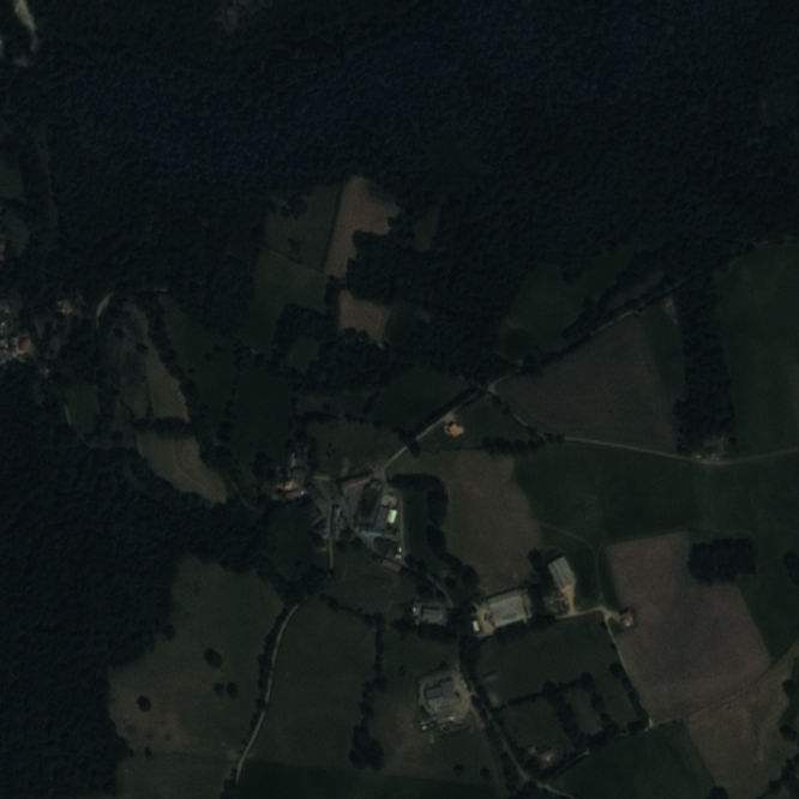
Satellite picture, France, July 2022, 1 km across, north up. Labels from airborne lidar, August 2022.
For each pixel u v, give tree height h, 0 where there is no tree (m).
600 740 16
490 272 15
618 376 0
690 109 32
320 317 15
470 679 11
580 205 27
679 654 0
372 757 18
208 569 0
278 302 0
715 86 23
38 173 21
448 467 0
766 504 0
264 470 17
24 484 20
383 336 0
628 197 20
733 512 0
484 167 17
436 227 0
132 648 16
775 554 0
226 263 18
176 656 0
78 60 30
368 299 14
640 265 23
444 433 0
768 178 33
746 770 0
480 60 21
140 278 13
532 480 0
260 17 12
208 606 0
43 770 21
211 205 15
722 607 0
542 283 0
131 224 23
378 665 6
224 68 27
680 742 0
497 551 0
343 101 20
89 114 28
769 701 0
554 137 18
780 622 0
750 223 18
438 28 27
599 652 0
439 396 0
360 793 0
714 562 17
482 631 0
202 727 0
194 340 0
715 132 28
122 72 29
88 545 23
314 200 0
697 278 12
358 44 21
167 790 0
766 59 24
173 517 20
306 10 25
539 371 21
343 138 18
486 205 22
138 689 0
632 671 0
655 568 0
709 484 0
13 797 16
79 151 17
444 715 0
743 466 0
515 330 0
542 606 0
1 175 0
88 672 17
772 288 0
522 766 11
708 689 0
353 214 0
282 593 18
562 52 8
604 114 16
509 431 0
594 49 25
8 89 18
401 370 19
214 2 13
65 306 0
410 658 0
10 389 15
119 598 15
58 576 22
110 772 16
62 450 24
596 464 0
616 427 0
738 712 0
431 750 0
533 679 0
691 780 0
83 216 17
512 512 0
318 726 0
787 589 0
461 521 0
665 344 0
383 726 0
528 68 27
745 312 0
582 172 15
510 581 0
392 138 27
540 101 21
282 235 0
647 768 0
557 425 0
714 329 8
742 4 20
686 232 17
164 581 21
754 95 24
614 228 23
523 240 7
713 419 9
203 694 0
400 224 13
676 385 0
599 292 0
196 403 16
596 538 0
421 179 32
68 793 21
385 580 0
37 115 15
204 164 33
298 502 10
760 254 0
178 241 13
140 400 0
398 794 0
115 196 19
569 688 7
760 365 0
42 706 18
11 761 23
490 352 17
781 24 25
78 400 0
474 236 13
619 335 0
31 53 16
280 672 0
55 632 21
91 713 17
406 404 0
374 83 17
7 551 20
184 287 19
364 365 14
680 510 0
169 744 0
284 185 26
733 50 21
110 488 31
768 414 0
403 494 0
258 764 0
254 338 0
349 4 17
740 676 0
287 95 23
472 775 0
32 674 20
